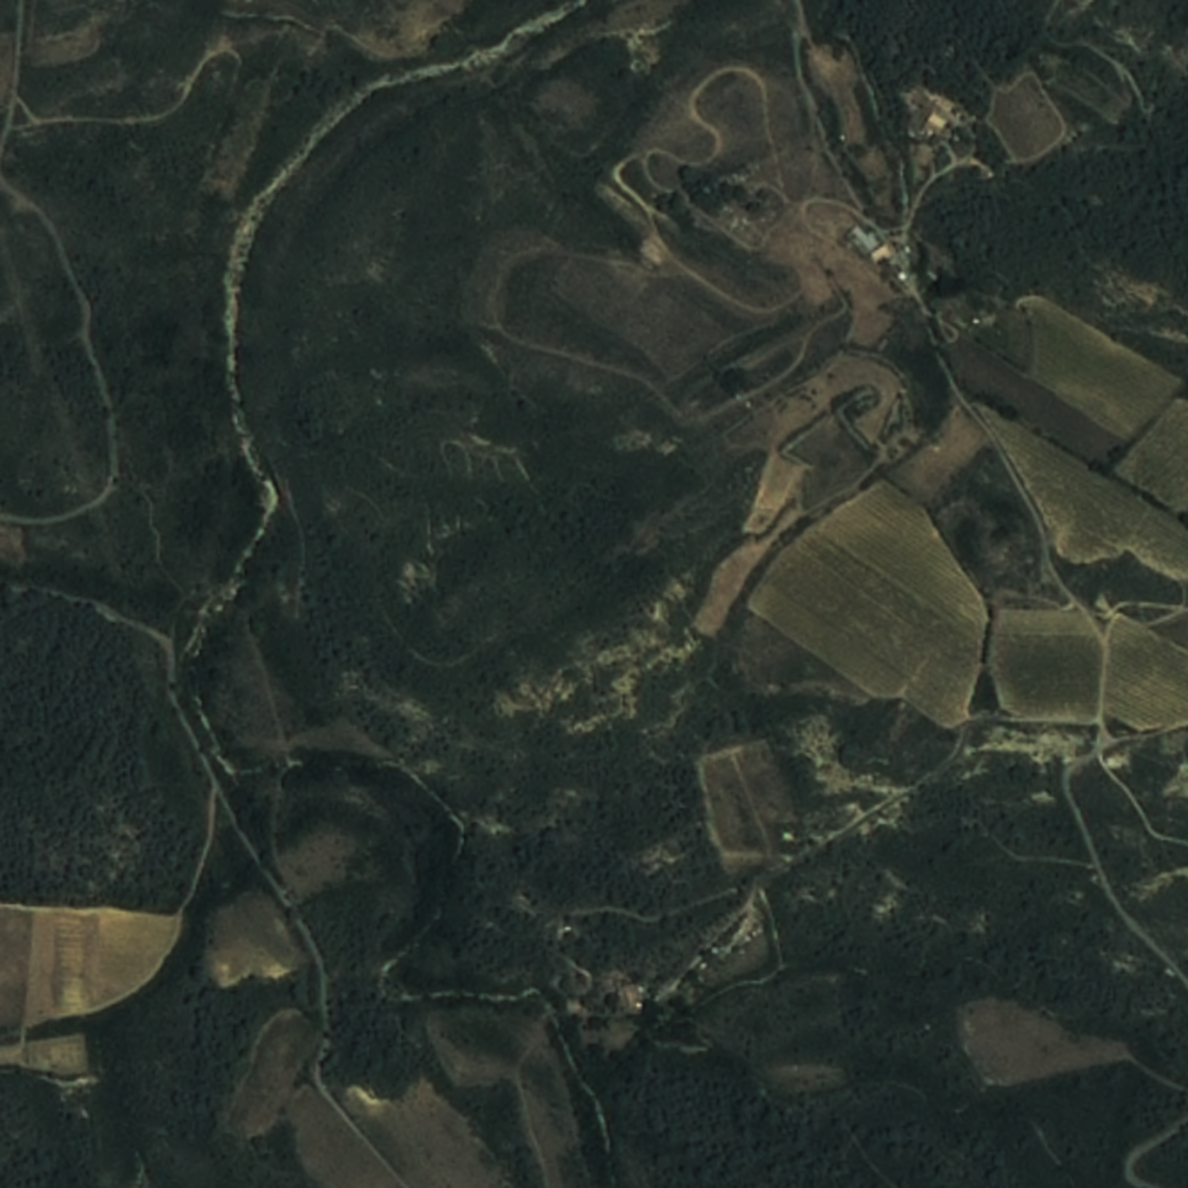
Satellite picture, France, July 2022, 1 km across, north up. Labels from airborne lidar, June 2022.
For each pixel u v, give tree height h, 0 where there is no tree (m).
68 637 12
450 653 6
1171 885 0
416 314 0
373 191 0
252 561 8
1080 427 0
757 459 0
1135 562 0
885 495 0
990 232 6
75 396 8
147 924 0
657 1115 11
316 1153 0
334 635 7
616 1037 0
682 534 0
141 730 16
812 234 0
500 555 0
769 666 0
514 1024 0
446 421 0
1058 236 9
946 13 18
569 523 8
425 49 0
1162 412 0
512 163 0
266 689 0
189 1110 9
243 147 0
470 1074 0
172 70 0
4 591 18
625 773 9
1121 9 7
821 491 0
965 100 12
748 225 0
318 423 14
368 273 0
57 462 8
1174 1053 10
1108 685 0
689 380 0
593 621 0
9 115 0
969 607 0
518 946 9
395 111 0
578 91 0
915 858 0
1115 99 0
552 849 12
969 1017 0
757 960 0
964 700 0
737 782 0
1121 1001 8
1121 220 9
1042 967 14
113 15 0
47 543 0
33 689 10
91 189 9
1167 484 0
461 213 0
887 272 7
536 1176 14
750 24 0
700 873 7
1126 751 0
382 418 6
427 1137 0
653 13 0
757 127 0
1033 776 8
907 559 0
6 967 0
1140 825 0
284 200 0
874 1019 12
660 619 0
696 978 8
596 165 6
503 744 0
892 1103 8
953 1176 10
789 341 0
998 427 0
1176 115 10
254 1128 0
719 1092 12
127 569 10
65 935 0
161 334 6
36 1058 0
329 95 13
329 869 0
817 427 0
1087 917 10
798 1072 0
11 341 7
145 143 9
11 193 0
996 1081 0
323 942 7
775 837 0
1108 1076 9
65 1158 7
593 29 0
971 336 0
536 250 0
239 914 0
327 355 0
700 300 0
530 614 0
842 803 0
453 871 9
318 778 5
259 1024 13
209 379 8
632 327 0
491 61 0
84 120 0
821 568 0
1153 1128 7
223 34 0
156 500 6
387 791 8
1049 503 0
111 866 7
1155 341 0
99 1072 7
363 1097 0
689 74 0
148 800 17
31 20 0
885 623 0
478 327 0
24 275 0
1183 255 8
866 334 0
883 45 7
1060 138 0
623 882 14
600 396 0
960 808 8
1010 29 14
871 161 0
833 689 0
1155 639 0
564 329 0
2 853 8
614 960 8
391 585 8
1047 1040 0
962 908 12
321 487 0
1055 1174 7
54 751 9
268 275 0
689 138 0
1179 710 0
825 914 11
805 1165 11
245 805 8
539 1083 0
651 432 0
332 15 0
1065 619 0
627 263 0
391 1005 16
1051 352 0
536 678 0
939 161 7
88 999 0
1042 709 0
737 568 0
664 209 9
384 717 7
